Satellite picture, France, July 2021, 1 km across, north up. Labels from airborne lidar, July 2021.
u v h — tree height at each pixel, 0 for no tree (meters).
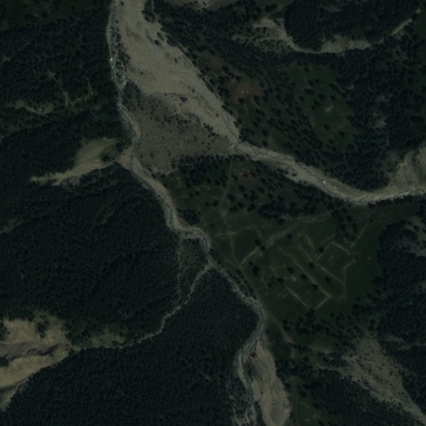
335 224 0
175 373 27
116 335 0
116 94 21
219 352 17
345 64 23
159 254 18
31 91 12
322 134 0
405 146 19
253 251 0
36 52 27
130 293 34
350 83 21
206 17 11
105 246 30
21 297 26
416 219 0
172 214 0
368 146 20
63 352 0
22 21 0
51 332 0
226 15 11
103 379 27
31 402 24
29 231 28
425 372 29
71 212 29
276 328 0
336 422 0
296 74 0
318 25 16
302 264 0
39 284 22
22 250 30
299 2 23
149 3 11
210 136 6
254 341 0
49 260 20
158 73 0
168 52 0
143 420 29
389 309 11
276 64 16
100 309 24
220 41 16
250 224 0
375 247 0
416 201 0
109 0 16
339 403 23
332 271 0
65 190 10
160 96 0
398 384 0
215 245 0
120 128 11
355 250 0
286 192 0
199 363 28
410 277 19
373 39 22
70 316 21
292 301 0
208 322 13
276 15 0
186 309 11
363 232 0
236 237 0
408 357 27
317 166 18
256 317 9
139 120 0
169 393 27
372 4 14
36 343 0
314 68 0
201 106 0
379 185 10
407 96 23
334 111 0
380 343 10
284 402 0
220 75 0
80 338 15
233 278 9
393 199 0
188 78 0
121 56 7
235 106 0
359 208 0
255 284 0
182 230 0
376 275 0
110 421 31
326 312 0
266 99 22
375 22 24
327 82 0
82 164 0
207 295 16
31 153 31
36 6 0
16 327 0
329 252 0
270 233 0
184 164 15
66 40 28
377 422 19
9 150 25
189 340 19
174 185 0
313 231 0
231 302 17
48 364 0
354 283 0
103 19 16
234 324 14
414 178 0
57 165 27
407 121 20
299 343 0
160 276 24
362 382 6
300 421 0
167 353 28
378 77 21
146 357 28
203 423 35
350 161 16
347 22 23
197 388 26
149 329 22
